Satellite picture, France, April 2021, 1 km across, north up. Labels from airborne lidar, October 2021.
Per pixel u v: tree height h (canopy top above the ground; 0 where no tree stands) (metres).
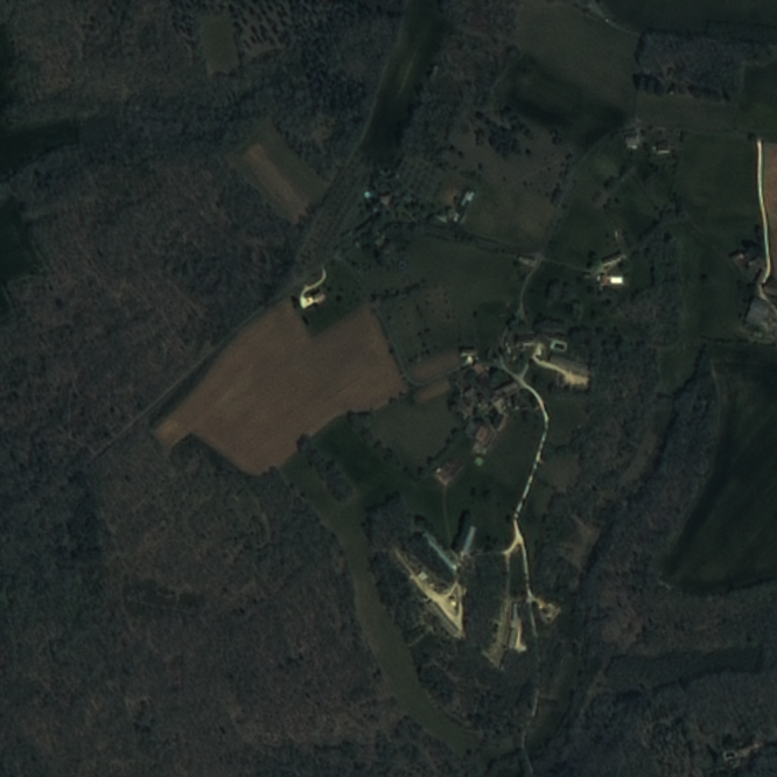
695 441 15
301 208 0
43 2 14
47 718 6
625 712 8
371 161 10
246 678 8
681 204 7
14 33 14
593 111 0
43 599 20
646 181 14
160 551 9
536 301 0
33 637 13
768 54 19
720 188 0
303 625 7
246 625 8
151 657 11
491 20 10
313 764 15
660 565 0
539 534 0
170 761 7
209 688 13
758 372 0
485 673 13
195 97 18
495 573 21
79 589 20
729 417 0
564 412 0
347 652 8
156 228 8
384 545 16
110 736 7
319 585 10
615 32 0
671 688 13
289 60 6
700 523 0
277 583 8
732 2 0
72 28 11
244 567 11
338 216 7
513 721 9
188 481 10
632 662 8
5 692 9
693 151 0
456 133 10
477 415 11
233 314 15
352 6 14
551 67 0
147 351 9
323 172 12
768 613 15
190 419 0
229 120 16
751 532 0
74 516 0
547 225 0
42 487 11
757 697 16
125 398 7
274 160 0
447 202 0
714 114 0
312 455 14
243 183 16
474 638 13
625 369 9
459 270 0
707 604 11
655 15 0
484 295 0
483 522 0
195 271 8
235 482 13
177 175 10
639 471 0
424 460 0
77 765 12
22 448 10
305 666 6
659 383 17
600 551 7
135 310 11
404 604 14
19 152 0
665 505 9
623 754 12
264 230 14
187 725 11
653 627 13
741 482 0
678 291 16
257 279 17
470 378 11
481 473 0
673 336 9
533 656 17
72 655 15
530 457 0
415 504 0
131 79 9
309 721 5
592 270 12
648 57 20
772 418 0
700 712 20
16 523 14
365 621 0
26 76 14
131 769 9
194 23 11
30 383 14
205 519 7
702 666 6
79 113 13
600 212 0
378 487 0
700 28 0
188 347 11
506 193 0
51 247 11
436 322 0
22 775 11
